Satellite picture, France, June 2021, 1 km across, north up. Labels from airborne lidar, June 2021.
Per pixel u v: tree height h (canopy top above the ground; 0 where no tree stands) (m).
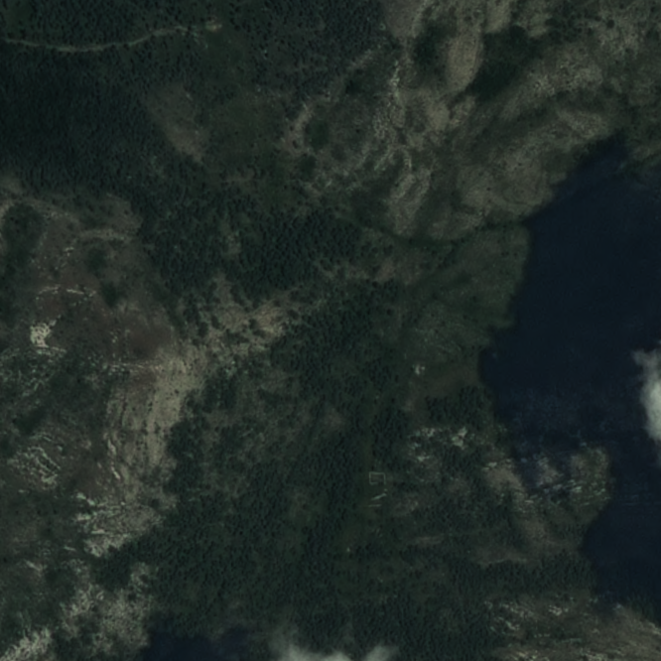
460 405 10
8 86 12
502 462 0
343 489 14
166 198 7
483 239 0
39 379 0
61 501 0
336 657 8
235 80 0
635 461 7
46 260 0
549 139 0
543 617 0
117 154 8
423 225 0
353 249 8
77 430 0
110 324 0
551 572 12
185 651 8
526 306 0
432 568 7
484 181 0
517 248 0
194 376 0
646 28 0
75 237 0
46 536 0
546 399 0
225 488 0
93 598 0
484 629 6
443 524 7
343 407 8
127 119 9
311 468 7
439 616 7
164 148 6
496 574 10
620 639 0
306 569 8
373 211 0
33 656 0
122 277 0
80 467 0
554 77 0
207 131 0
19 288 0
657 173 0
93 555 0
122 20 8
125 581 6
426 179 0
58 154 11
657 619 9
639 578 11
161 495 0
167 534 6
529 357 0
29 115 11
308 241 14
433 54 7
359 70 9
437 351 0
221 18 0
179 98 0
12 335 0
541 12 0
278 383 0
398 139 0
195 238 6
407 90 0
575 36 5
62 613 0
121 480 0
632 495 0
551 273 0
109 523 0
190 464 7
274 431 0
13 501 0
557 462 0
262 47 9
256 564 10
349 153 0
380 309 7
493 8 0
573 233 0
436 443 6
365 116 0
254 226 8
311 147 0
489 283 0
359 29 7
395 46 8
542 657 0
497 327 0
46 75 10
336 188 0
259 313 0
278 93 0
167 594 7
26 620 0
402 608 8
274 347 7
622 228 0
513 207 0
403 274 0
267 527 12
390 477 0
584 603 0
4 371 0
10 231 0
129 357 0
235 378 7
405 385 0
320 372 14
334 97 0
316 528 8
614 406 0
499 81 9
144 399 0
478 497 7
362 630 8
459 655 10
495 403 0
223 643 0
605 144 8
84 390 0
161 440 0
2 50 11
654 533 0
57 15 8
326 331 8
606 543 7
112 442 0
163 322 0
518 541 8
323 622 12
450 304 0
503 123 0
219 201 7
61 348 0
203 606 8
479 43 0
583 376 0
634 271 0
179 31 8
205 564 13
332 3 8
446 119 0
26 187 6
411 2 0
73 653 8
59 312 0
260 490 8
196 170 9
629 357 0
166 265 8
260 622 7
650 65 0
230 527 6
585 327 0
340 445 10
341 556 9
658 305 0
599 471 0
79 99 10
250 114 0
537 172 0
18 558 0
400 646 12
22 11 0
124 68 11
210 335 0
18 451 0
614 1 0
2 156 10
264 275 9
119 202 0
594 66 0
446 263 6
